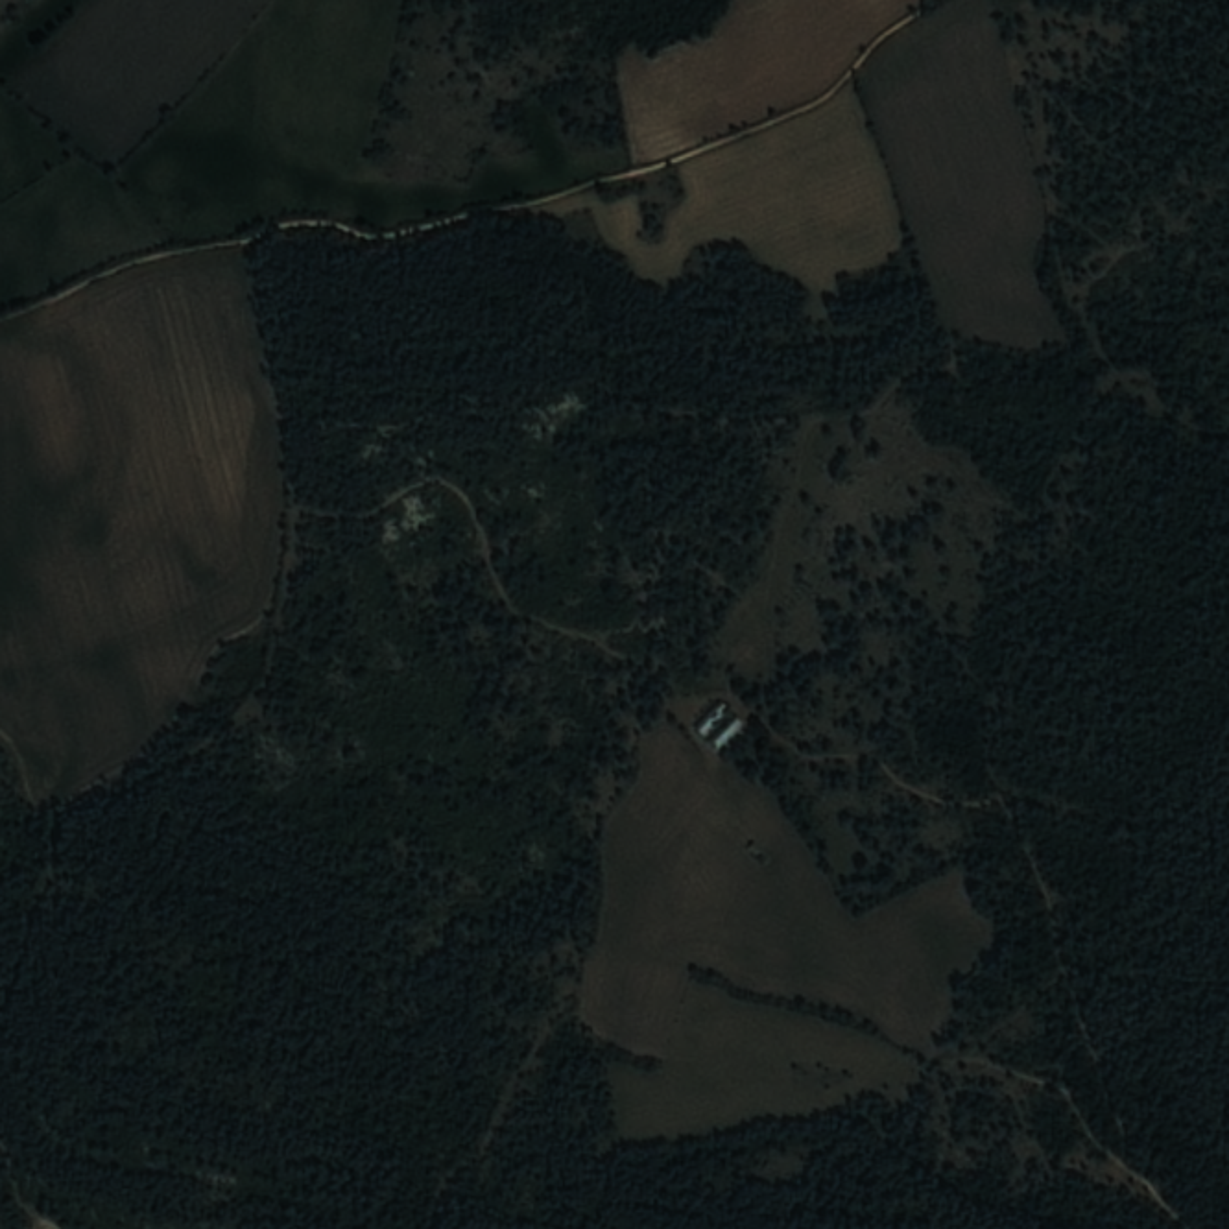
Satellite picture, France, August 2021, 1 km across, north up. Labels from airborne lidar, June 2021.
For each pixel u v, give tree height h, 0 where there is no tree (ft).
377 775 21
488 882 25
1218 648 18
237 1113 34
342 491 32
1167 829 38
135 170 0
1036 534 39
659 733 0
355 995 45
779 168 0
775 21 0
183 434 0
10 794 26
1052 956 23
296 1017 33
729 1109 0
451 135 0
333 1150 60
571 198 0
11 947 38
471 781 26
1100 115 33
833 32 0
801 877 0
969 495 0
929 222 0
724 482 31
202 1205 26
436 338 23
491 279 43
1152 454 24
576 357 33
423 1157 28
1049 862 31
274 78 0
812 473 0
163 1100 26
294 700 41
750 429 28
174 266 0
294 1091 39
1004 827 38
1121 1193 24
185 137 0
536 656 37
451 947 51
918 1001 0
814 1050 0
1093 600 22
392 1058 32
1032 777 19
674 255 0
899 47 0
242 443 0
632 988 0
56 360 0
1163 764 21
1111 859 19
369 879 41
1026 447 18
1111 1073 25
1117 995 27
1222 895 23
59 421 0
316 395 27
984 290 0
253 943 45
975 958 0
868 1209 52
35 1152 41
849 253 0
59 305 0
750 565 22
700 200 0
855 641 38
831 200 0
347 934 53
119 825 48
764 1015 0
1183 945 48
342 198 0
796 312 63
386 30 0
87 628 0
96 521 0
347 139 0
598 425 43
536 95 33
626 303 52
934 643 30
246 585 0
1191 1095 33
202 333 0
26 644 0
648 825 0
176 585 0
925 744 18
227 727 34
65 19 30
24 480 0
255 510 0
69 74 0
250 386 0
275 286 28
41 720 0
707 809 0
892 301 46
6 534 0
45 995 30
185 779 31
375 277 48
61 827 47
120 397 0
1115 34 0
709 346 24
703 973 19
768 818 0
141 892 33
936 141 0
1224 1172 22
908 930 0
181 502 0
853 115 0
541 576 23
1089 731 40
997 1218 56
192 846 31
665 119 0
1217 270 29
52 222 0
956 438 25
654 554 25
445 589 55
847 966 0
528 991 26
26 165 0
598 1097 36
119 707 0
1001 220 0
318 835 28
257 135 0
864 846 34
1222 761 31
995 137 0
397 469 23
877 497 0
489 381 45
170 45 0
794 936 0
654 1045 0
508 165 0
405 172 0
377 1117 22
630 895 0
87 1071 31
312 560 25
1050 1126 20
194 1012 25
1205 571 20
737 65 0
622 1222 34
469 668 21
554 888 18
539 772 25
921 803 35
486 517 36
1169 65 40
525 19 33
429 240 45
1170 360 31
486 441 31
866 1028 20
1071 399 26
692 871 0
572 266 45
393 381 34
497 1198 31
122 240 0
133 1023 21
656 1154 37
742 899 0
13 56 0
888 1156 55
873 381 31
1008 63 0
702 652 40
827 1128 33
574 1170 61
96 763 0
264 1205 52
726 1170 30
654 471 25
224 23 0
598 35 25
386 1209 29
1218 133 22
